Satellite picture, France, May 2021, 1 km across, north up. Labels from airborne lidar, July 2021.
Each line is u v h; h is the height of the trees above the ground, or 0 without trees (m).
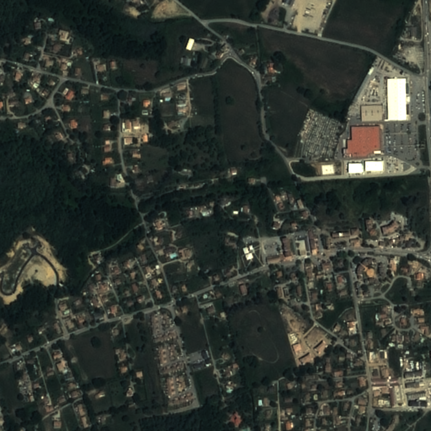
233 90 0
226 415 11
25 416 14
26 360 7
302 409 7
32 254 0
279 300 9
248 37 0
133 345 0
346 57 0
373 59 6
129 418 11
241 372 7
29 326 7
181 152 11
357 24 0
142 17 12
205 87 0
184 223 14
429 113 0
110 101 6
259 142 0
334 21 0
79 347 0
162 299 10
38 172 10
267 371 0
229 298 0
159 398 0
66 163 13
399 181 0
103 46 13
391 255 7
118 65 6
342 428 0
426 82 0
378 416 12
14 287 0
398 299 0
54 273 0
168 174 22
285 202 0
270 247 0
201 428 11
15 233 8
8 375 0
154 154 0
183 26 0
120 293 9
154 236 11
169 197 14
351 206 0
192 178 9
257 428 16
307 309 24
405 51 0
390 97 0
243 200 8
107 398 0
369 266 7
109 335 0
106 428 9
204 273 10
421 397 0
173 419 17
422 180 0
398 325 0
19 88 13
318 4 0
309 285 0
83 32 15
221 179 8
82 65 0
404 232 9
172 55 0
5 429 9
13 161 10
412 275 7
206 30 6
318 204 22
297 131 0
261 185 6
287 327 0
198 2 0
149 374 0
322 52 0
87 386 13
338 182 8
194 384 0
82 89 0
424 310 11
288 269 8
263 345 0
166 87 0
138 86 10
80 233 11
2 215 15
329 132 0
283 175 0
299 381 13
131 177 11
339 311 0
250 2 0
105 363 0
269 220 11
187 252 0
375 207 0
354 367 6
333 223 0
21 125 0
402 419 16
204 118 0
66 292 14
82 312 0
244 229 12
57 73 6
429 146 0
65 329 0
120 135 0
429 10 0
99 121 0
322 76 0
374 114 0
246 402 11
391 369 0
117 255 13
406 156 0
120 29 7
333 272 6
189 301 11
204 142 8
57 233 11
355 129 0
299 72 0
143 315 8
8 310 11
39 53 6
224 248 8
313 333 0
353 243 0
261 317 0
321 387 11
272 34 0
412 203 28
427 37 0
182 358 0
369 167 0
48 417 0
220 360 6
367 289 11
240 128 0
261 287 13
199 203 12
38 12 9
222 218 10
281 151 0
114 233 21
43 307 15
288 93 0
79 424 0
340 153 0
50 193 15
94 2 15
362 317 0
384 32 0
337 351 7
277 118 0
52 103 0
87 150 11
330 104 6
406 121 0
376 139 0
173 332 0
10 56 6
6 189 9
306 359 0
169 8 0
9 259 0
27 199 7
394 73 0
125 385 11
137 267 9
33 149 8
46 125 7
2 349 0
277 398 0
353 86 0
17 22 13
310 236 0
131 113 14
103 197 17
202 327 0
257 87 6
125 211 19
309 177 0
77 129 9
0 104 0
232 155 0
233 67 0
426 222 0
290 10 0
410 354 0
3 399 7
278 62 14
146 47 19
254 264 13
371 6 0
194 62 16
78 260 10
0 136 10
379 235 0
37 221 10
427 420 0
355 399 0
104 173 7
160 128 12
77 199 18
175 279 0
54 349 9
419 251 0
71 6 11
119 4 0
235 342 7
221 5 0
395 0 0
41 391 10
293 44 0
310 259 11
